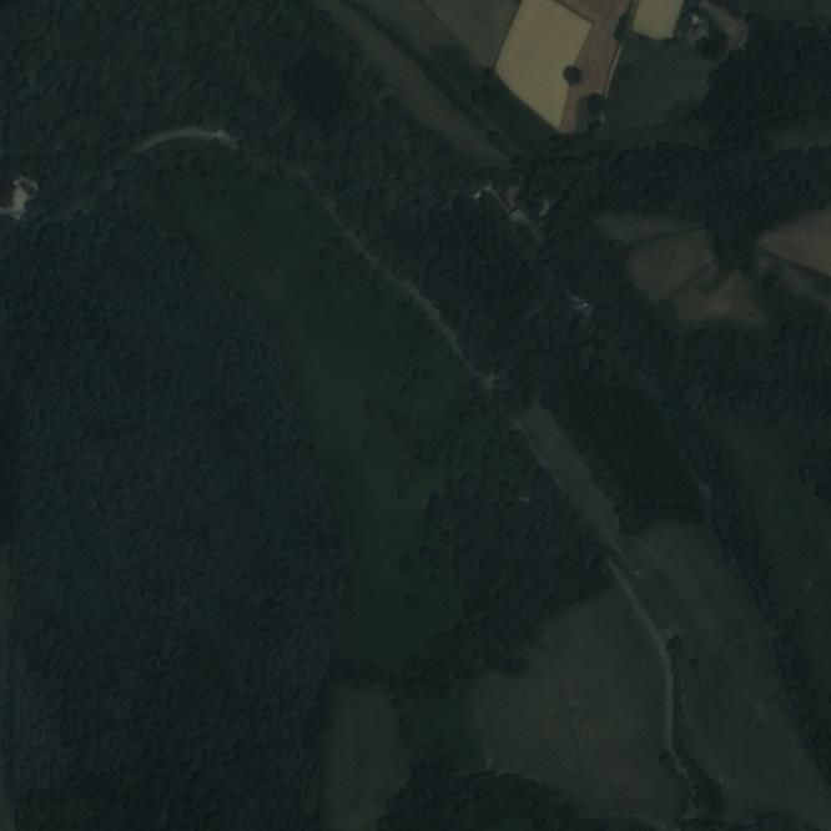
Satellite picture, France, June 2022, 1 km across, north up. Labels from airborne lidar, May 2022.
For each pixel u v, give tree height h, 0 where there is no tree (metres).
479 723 0
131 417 23
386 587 0
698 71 0
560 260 16
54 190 22
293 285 0
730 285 0
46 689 22
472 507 19
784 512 0
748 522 24
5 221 23
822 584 0
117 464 24
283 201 0
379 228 19
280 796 21
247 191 0
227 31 20
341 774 0
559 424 6
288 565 16
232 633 23
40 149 20
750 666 0
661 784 0
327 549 19
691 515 22
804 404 13
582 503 0
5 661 0
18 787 19
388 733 0
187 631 14
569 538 18
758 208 22
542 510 20
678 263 0
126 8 7
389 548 0
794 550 0
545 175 27
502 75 0
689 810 11
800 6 0
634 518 21
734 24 0
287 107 24
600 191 19
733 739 0
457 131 0
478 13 0
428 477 0
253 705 17
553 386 24
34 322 40
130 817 21
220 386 14
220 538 26
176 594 25
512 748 0
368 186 19
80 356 23
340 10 0
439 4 0
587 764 0
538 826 12
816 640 0
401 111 9
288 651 31
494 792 21
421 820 15
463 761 0
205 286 14
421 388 0
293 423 11
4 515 18
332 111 26
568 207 20
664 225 0
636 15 0
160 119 11
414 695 13
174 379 15
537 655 0
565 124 0
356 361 0
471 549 15
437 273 23
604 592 15
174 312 22
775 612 20
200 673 17
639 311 12
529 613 25
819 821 0
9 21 27
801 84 23
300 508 28
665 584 0
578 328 26
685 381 17
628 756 0
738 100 13
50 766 17
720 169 19
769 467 0
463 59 0
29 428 15
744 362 31
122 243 24
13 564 12
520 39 0
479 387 19
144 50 11
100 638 21
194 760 20
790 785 0
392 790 0
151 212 19
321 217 0
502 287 36
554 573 19
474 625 13
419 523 0
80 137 20
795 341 18
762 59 23
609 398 10
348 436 0
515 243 17
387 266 17
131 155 18
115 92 15
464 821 28
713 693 0
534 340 22
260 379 18
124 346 22
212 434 21
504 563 13
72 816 0
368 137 27
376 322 0
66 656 19
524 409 6
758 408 27
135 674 23
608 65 0
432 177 18
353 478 0
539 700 0
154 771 14
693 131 0
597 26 0
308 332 0
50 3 10
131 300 21
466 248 37
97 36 13
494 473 15
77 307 39
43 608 24
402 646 0
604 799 0
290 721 21
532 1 0
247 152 17
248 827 20
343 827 0
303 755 20
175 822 25
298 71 23
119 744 25
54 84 13
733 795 0
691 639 0
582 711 0
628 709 0
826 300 0
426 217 9
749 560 16
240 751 22
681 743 11
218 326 11
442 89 10
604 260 7
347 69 15
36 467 20
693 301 0
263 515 25
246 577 26
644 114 0
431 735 0
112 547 21
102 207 23
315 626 26
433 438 0
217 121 16
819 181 19
